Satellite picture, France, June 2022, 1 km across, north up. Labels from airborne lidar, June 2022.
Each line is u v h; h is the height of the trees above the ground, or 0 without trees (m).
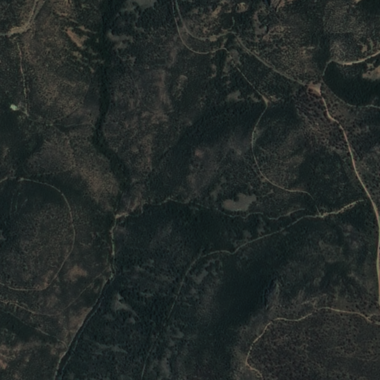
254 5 6
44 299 0
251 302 7
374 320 9
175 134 7
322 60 6
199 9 6
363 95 6
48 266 0
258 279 6
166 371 0
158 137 8
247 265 6
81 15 8
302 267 0
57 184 6
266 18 7
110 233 10
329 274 7
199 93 6
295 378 11
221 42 9
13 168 7
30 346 0
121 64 12
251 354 8
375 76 0
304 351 6
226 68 0
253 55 7
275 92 8
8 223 9
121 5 9
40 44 0
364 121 8
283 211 7
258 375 10
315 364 8
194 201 6
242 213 8
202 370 8
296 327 6
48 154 0
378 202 5
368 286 0
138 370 7
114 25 11
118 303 0
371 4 10
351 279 6
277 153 6
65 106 7
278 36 6
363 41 6
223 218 6
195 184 0
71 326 0
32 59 0
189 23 0
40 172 8
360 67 7
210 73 8
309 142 7
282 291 6
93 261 0
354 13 6
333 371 6
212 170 0
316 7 9
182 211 10
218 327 5
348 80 6
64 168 6
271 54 5
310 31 7
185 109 7
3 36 9
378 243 0
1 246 8
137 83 0
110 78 8
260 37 10
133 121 0
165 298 8
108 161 8
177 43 0
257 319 0
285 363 9
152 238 8
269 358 11
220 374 10
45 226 0
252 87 9
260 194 8
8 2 6
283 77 6
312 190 6
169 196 7
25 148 6
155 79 0
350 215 6
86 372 6
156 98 0
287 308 8
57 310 0
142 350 7
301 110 12
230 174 8
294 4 6
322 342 7
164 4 11
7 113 6
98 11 8
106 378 7
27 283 6
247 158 5
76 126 7
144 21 6
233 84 9
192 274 8
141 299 9
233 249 6
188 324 6
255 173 7
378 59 9
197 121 6
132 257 8
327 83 8
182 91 6
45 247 0
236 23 9
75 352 10
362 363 6
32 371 6
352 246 0
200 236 6
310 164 6
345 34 8
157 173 6
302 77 6
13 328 9
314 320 7
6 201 6
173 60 0
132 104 0
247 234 0
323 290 8
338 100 5
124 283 6
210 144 7
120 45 0
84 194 6
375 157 0
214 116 13
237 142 0
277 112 5
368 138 7
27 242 0
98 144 9
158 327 6
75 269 0
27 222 6
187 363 8
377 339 11
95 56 8
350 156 11
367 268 0
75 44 6
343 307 0
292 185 6
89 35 10
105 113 8
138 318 15
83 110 0
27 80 7
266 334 10
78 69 7
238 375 0
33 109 6
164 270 8
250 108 7
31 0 0
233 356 7
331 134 10
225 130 7
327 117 11
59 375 8
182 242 6
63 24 7
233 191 8
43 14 0
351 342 9
